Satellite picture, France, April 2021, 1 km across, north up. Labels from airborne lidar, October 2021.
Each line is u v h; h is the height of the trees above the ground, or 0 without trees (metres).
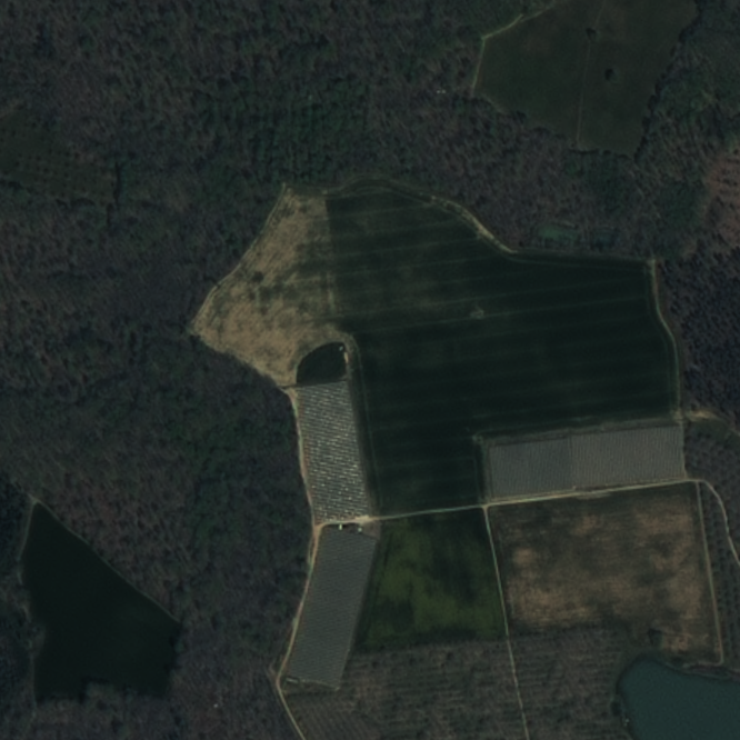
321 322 0
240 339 0
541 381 0
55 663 0
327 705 8
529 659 9
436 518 0
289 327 0
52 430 23
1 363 21
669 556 0
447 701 7
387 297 0
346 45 14
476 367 0
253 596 15
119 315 17
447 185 18
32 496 18
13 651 12
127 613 0
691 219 24
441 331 0
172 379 24
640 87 0
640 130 0
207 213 16
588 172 16
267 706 18
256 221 19
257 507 27
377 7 20
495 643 7
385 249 0
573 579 0
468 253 0
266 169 21
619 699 0
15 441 25
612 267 0
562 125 0
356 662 7
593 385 0
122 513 18
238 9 18
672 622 0
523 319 0
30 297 21
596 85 0
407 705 7
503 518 0
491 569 0
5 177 8
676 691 0
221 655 18
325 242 0
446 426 0
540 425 0
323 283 0
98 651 0
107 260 16
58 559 0
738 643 8
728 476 12
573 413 0
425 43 25
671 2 0
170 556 8
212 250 16
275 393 15
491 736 8
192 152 11
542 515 0
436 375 0
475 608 0
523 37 0
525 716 6
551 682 9
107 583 0
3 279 8
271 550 23
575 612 0
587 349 0
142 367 11
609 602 0
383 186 0
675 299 9
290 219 0
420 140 16
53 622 0
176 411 26
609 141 0
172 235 25
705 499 9
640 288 0
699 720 0
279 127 20
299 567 15
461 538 0
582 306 0
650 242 21
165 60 22
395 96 15
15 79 11
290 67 21
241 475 16
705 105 22
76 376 9
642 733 0
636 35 0
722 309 23
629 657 0
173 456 24
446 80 14
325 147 17
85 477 18
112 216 18
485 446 0
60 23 19
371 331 0
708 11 22
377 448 0
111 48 12
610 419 0
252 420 25
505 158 10
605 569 0
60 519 7
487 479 0
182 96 14
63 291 21
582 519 0
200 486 14
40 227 22
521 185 11
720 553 6
